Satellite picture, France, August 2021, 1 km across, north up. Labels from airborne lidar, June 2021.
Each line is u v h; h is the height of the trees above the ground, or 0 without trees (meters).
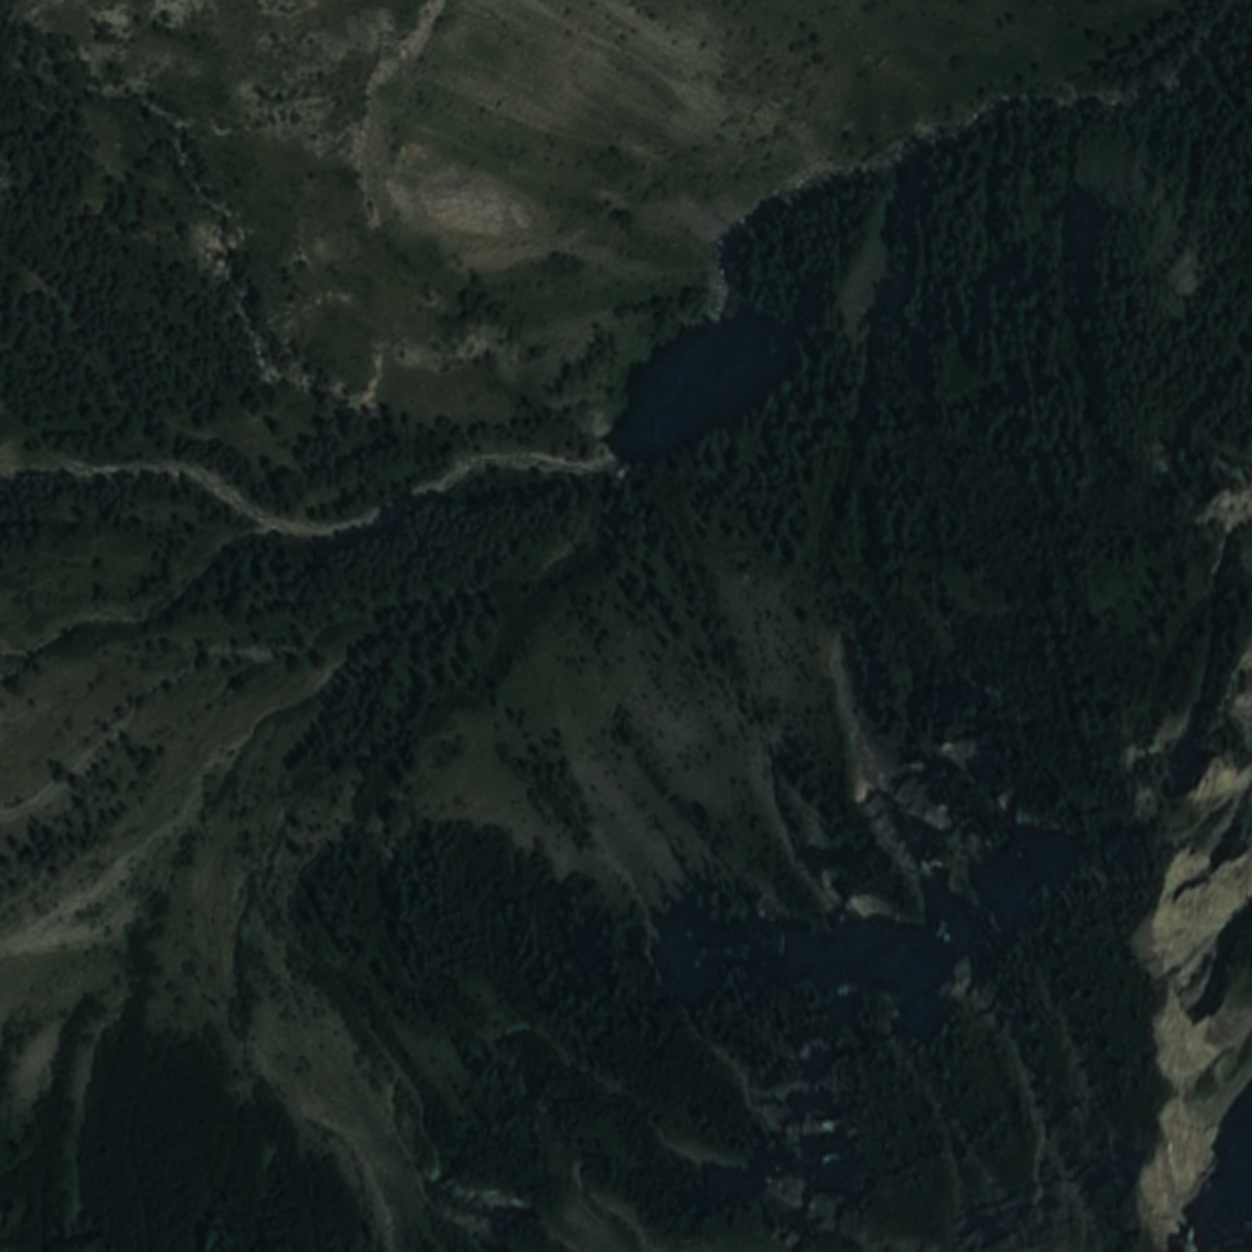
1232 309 19
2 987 0
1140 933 0
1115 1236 0
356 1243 6
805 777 22
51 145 26
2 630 0
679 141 0
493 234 0
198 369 17
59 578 0
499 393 0
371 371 0
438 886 13
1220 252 19
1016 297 17
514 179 0
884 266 0
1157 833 7
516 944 10
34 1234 6
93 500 20
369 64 0
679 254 0
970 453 9
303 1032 0
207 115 0
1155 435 8
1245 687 6
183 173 19
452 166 0
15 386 19
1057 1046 0
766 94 0
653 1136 6
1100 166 0
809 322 7
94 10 0
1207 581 9
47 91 26
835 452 9
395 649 23
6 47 24
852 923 0
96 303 17
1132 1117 0
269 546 10
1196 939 0
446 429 13
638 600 22
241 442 0
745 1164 0
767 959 7
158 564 7
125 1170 6
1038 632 10
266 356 8
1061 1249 0
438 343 0
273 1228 6
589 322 0
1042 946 6
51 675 0
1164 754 8
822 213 29
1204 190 19
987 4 0
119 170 0
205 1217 5
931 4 0
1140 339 18
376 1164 0
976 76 0
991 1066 0
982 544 6
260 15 0
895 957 0
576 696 0
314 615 27
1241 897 0
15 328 23
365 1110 0
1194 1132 0
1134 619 0
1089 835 10
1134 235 27
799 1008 7
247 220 0
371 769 24
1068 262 15
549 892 6
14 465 0
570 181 0
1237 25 20
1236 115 27
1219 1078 0
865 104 0
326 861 9
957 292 22
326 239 0
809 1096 0
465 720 0
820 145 0
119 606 0
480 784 0
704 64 0
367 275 0
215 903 0
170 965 0
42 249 19
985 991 0
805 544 20
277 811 0
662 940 0
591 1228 0
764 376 9
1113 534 6
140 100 10
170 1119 6
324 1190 6
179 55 0
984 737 10
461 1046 14
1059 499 14
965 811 9
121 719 7
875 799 0
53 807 0
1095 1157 0
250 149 0
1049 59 0
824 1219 0
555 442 0
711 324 0
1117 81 21
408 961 11
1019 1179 0
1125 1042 0
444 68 0
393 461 21
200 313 14
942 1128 0
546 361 0
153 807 0
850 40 0
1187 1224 0
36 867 12
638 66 0
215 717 0
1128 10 0
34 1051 0
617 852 0
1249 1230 0
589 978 6
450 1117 6
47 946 0
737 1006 12
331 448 22
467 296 13
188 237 14
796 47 8
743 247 18
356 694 19
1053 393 24
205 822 6
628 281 0
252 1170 6
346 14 0
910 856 0
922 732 6
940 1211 0
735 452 15
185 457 23
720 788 0
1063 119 20
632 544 22
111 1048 6
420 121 0
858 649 15
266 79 0
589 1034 16
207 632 0
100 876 0
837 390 11
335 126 0
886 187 9
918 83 0
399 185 0
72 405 12
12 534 24
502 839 6
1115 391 26
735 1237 0
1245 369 17
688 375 0
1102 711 6
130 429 23
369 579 30
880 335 8
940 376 29
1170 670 8
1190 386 18
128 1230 5
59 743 0
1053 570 7
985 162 15
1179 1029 0
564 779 13
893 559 20
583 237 0
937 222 31
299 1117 0
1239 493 8
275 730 0
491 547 32
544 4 0
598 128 0
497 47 0
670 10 0
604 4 0
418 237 0
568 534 15
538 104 0
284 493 26
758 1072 16
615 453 0
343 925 13
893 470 18
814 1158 0
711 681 7
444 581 30
